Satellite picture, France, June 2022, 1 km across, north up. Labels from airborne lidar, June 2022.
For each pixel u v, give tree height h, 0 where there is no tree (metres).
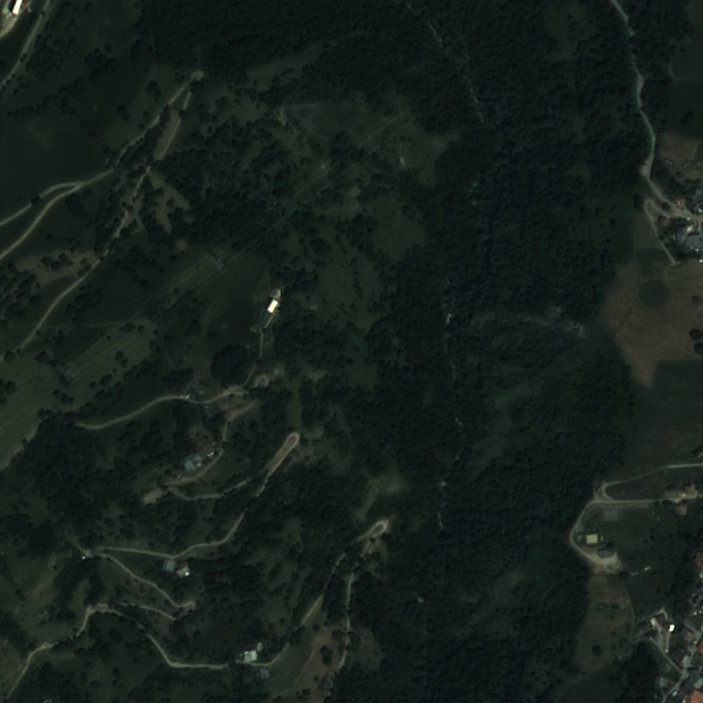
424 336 16
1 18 0
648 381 0
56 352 0
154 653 9
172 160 16
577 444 17
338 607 18
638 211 11
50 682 20
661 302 0
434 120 20
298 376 11
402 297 20
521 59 18
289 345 14
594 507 0
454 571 16
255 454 11
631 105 11
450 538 25
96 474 15
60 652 23
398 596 14
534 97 15
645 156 12
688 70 0
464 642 7
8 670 0
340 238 10
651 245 0
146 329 31
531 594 7
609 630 0
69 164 0
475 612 9
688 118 13
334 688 9
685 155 0
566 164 17
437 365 21
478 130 15
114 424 0
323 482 12
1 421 0
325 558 11
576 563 12
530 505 7
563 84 6
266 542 10
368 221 11
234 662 14
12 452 0
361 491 15
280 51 13
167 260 0
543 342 9
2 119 0
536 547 7
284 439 12
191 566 15
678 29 15
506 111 26
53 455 14
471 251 17
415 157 0
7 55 0
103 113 0
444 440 22
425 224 8
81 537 6
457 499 23
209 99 0
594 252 8
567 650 10
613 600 0
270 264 9
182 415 15
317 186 6
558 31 0
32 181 0
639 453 0
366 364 10
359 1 15
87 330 0
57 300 0
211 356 0
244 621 8
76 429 17
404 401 13
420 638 18
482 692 7
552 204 14
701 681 0
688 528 0
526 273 12
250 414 0
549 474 7
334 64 18
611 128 6
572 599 14
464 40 7
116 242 12
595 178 14
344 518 15
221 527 8
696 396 0
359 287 11
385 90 14
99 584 16
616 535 0
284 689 0
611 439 7
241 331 0
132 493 6
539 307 13
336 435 18
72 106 11
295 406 0
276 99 14
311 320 17
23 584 0
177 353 0
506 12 21
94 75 13
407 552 13
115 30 0
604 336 0
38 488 7
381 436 9
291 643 17
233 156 16
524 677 10
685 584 7
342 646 7
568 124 14
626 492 0
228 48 10
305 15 11
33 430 0
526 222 9
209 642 0
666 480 0
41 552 11
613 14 17
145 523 10
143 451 12
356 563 18
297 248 0
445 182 9
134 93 0
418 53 22
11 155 0
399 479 0
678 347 0
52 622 9
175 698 0
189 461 0
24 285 12
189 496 7
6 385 16
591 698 0
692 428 0
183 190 23
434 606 12
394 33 26
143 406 0
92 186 0
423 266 14
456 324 19
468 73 16
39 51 7
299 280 21
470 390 10
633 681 16
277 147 15
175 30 12
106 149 9
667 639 0
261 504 14
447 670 12
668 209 13
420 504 8
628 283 0
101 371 0
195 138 14
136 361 0
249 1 16
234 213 16
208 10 14
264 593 10
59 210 0
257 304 0
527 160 11
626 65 16
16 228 0
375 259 17
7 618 11
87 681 13
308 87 10
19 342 0
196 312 12
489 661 13
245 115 0
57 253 0
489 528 6
